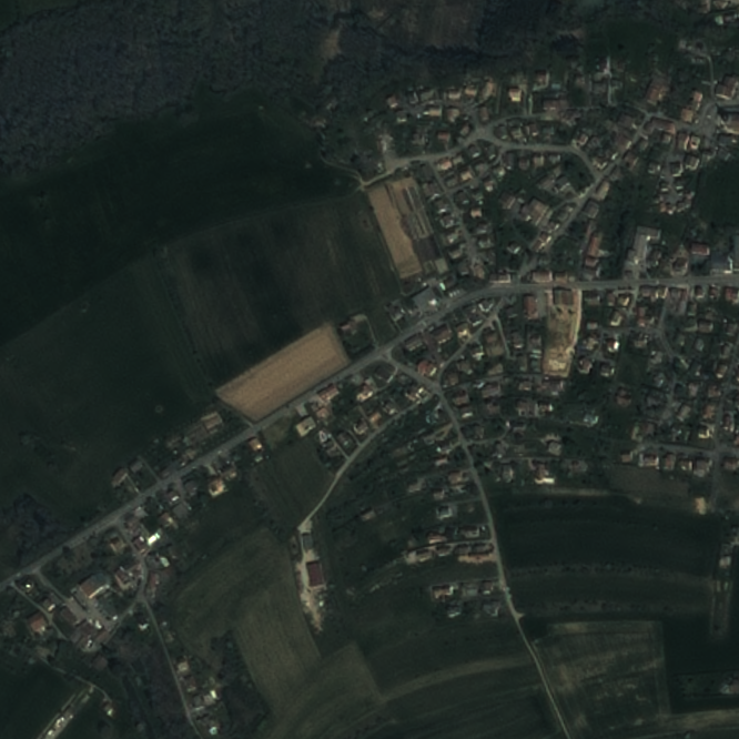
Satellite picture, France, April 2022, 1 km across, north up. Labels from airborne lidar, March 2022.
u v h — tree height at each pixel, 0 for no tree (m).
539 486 0
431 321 0
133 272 0
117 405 0
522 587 0
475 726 0
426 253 0
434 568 0
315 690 0
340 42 0
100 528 0
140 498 0
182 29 21
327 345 0
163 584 0
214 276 0
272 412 0
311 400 0
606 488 0
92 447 0
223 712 0
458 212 0
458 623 0
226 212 0
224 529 0
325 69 0
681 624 0
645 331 0
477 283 11
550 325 0
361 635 0
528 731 0
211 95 0
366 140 0
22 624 0
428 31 0
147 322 0
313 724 0
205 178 0
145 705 0
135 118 18
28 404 0
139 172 0
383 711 0
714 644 0
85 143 23
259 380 0
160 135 0
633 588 0
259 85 20
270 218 0
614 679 0
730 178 0
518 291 0
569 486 0
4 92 19
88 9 19
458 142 7
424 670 0
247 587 0
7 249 0
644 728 0
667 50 0
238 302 0
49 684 0
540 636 0
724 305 0
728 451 0
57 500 0
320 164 0
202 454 0
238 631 0
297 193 0
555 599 0
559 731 0
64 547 0
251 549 0
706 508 0
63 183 0
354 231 0
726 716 0
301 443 0
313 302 0
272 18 21
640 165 0
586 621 0
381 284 0
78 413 0
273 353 0
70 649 8
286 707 0
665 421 0
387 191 0
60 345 0
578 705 0
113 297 0
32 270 0
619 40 0
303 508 0
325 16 15
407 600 0
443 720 0
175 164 0
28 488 0
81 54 16
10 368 0
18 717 0
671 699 0
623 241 12
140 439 0
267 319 0
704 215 0
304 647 0
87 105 21
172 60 21
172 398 0
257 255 0
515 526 0
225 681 19
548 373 0
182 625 0
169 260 0
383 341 0
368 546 0
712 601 0
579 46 21
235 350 0
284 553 0
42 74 17
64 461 0
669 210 0
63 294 0
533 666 0
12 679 0
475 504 0
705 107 0
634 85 0
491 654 0
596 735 0
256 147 0
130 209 0
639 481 0
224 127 0
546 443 0
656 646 0
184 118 21
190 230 0
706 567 0
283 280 0
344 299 0
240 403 0
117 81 23
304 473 0
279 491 0
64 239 0
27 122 19
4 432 0
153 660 0
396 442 6
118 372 0
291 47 18
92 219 0
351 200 0
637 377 0
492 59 20
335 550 0
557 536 0
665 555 0
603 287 0
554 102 0
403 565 0
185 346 0
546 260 8
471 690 0
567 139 8
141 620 0
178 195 0
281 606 0
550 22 21
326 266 0
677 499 0
